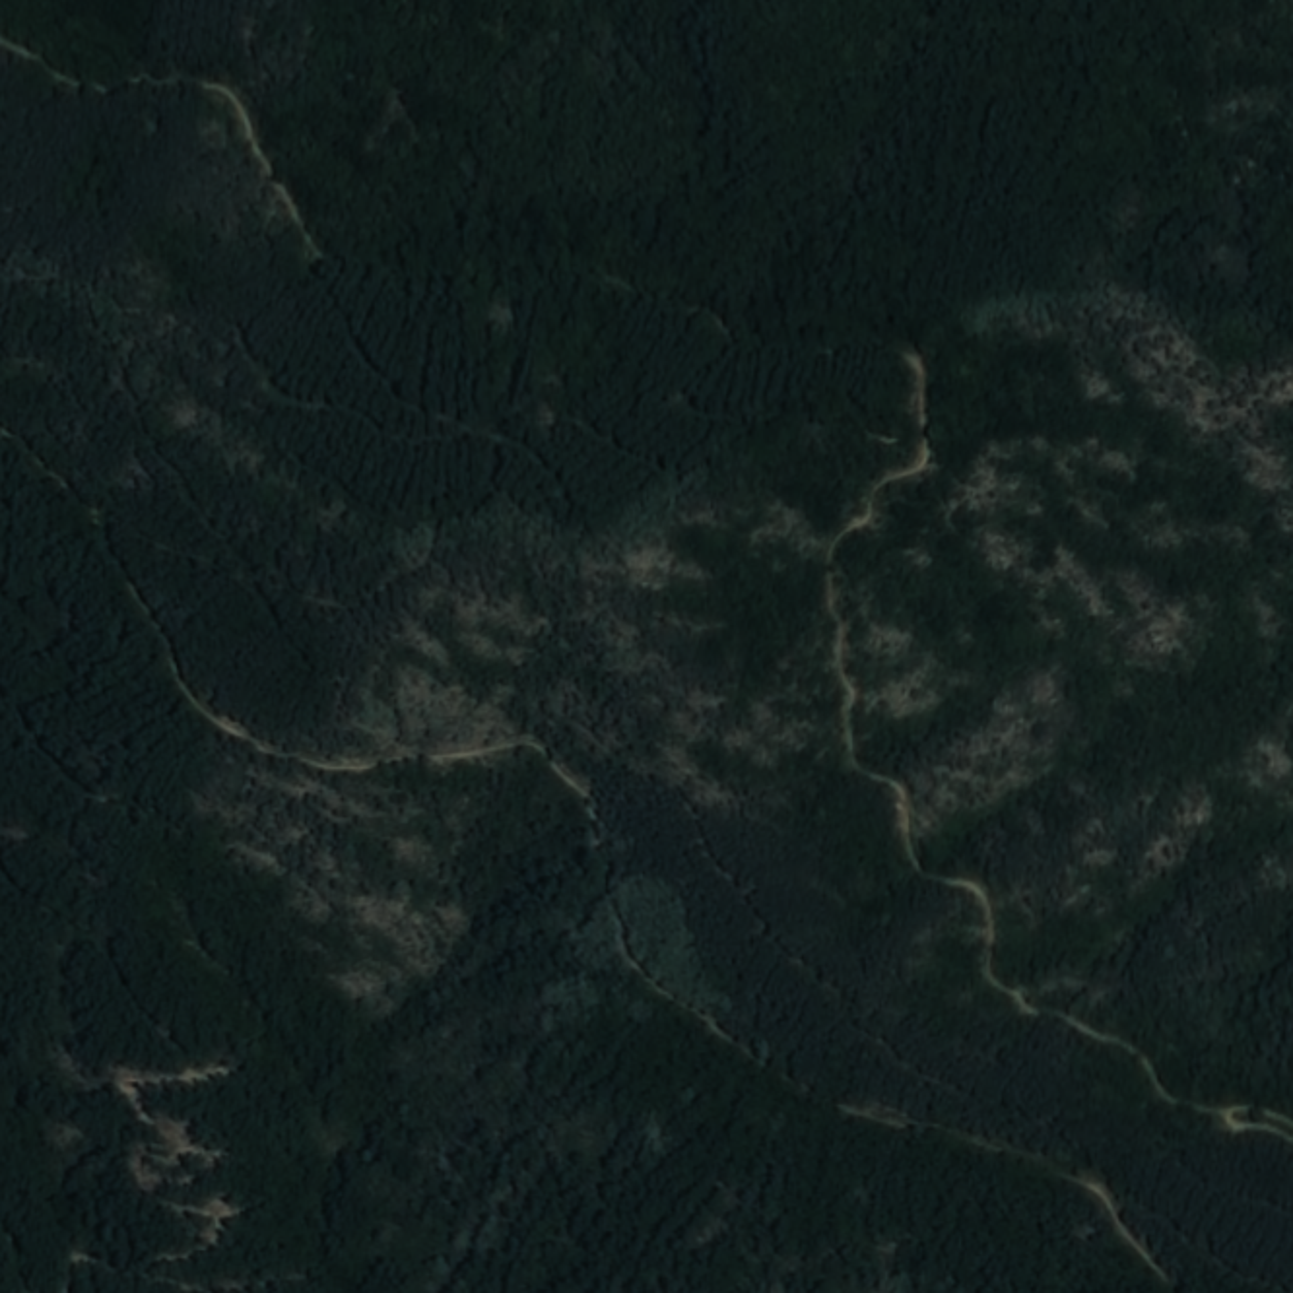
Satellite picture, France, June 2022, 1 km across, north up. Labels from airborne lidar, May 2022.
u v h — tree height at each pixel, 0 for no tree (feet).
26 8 57
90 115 69
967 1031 41
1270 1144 49
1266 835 36
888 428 55
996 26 63
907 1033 54
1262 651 23
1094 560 25
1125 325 36
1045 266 87
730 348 44
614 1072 65
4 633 73
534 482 70
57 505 59
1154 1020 31
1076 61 97
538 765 52
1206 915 42
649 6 57
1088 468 24
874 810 52
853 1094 37
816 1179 60
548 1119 51
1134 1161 59
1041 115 74
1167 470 34
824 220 66
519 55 61
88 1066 85
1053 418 52
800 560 50
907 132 81
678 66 52
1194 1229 65
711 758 23
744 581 51
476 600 49
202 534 72
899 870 45
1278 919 44
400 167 49
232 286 61
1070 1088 49
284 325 63
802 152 52
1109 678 35
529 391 72
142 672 109
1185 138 35
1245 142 64
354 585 53
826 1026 62
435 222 73
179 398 34
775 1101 67
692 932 59
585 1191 62
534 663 36
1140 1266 23
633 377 78
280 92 54
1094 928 21
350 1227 91
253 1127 101
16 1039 79
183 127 61
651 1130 75
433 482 70
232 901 62
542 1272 42
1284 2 50
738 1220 57
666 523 43
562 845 22
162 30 70
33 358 59
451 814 58
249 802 31
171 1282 108
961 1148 54
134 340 50
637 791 54
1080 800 24
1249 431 37
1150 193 30
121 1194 93
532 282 80
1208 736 42
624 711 48
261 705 66
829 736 28
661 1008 56
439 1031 36
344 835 61
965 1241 97
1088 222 76
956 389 58
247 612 68
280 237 57
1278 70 29
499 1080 43
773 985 61
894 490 49
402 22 57
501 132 61
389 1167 83
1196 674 27
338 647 66
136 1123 88
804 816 29
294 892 19
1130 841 53
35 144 51
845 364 56
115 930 74
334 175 50
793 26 55
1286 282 52
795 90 73
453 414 79
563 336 46
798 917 67
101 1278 107
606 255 62
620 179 61
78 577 100
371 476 66
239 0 66
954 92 77
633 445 81
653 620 35
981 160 63
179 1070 95
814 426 21
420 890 53
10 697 91
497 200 62
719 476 53
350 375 88
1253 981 23
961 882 0
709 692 42
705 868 59
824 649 40
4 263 69
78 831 73
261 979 103
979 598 33
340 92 23
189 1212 88
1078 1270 70
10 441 42
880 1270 51
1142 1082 35
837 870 38
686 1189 71
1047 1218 76
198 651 66
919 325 70
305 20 63
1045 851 33
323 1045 74
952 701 32
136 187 62
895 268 86
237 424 50
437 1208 66
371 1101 43
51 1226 119
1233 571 44
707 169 66
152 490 49
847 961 54
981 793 25
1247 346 46
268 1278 106
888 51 69
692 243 83
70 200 40
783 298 79
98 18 73
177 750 88
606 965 59
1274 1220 61
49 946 80
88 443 25
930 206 59
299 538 58
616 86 52
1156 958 45
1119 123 65
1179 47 41
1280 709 37
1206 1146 38
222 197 49
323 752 46
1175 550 36
